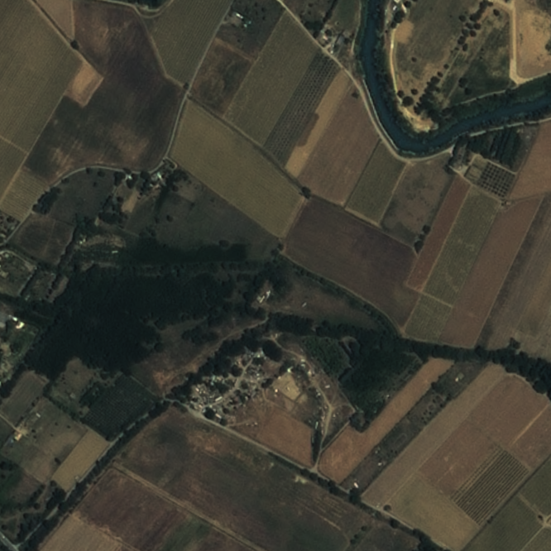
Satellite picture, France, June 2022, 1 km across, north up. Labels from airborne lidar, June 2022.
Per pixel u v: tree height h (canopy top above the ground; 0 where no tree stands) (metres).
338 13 0
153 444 0
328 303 0
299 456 0
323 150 0
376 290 0
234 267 15
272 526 0
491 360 15
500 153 13
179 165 0
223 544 0
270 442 0
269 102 0
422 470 0
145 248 6
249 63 0
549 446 0
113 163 0
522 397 0
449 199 0
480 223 0
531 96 9
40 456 0
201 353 0
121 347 17
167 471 0
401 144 0
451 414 0
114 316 16
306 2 0
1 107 0
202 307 14
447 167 8
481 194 0
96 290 12
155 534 0
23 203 0
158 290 12
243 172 0
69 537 0
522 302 0
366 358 11
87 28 0
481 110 11
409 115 0
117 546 0
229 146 0
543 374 17
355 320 0
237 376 12
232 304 9
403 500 0
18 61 0
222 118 0
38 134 0
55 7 0
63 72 0
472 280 0
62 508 18
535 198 0
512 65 0
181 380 0
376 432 0
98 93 0
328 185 0
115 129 0
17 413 0
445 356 15
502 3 0
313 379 0
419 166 0
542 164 0
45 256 0
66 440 0
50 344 15
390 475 0
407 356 7
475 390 0
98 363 18
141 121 0
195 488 0
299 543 0
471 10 0
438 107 0
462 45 13
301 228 0
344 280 0
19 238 0
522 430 0
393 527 12
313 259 0
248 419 0
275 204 0
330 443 0
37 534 8
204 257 6
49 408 0
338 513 0
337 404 0
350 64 0
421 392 0
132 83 0
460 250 0
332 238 0
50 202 14
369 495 0
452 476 0
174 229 0
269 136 0
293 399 0
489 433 0
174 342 0
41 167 0
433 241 0
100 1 0
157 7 11
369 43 0
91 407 10
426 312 0
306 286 0
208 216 0
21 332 0
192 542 0
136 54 0
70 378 0
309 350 6
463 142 13
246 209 0
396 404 0
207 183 0
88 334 16
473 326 0
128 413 6
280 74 0
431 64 0
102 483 0
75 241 14
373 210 0
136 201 0
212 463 0
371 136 0
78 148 0
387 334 18
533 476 0
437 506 0
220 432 0
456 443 0
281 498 0
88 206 0
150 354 15
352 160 0
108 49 0
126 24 0
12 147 0
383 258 0
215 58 0
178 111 0
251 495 0
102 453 0
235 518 0
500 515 0
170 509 0
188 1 0
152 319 9
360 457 0
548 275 0
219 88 0
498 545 0
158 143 0
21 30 0
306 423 0
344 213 0
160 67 0
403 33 0
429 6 0
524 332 0
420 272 0
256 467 0
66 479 0
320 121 0
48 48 0
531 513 0
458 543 0
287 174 0
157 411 18
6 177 0
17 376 10
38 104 0
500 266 0
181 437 0
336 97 0
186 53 0
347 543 0
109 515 0
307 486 0
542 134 0
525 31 0
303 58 0
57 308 14
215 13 0
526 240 0
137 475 0
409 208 0
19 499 0
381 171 0
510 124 11
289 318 14
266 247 0
